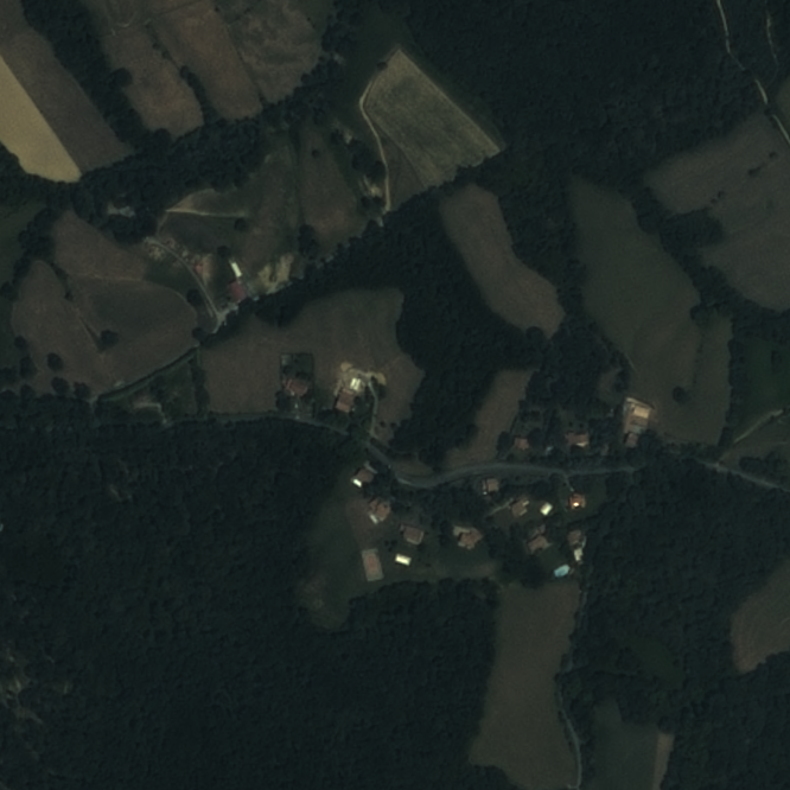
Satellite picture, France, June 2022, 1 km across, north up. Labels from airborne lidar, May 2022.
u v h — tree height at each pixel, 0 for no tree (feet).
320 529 0
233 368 0
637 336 0
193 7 0
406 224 57
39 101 0
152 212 30
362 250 68
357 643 94
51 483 49
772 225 0
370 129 0
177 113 0
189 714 56
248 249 0
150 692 71
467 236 0
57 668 62
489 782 70
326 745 57
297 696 70
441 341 47
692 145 42
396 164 0
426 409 51
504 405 0
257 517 66
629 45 79
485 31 75
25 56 0
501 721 0
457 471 0
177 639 72
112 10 0
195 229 0
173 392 0
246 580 89
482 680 61
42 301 0
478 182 40
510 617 0
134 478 51
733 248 0
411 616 79
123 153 0
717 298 62
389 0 62
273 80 0
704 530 47
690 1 68
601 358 73
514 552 62
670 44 63
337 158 0
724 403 0
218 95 0
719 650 60
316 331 0
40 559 37
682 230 63
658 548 75
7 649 67
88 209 68
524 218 41
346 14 49
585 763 23
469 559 0
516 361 39
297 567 88
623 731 0
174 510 56
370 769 83
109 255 0
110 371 0
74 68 64
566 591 0
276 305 38
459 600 82
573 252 58
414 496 44
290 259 0
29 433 73
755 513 70
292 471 76
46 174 0
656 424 0
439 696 75
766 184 0
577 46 60
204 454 65
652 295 0
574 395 62
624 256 0
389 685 70
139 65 0
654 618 78
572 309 41
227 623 88
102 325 0
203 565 41
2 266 0
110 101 68
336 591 0
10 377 69
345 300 0
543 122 90
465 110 0
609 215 0
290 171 0
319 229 0
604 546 69
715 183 0
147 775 70
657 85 46
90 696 79
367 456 55
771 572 24
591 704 32
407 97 0
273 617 70
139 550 58
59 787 65
